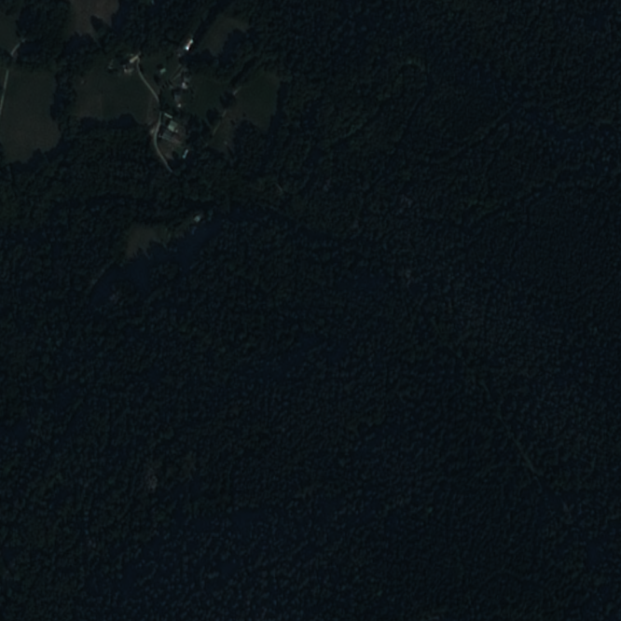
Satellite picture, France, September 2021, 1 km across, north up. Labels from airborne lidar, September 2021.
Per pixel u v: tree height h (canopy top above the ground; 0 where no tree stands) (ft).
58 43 72
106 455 85
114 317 100
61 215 127
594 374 64
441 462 87
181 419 73
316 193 89
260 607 49
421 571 69
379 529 101
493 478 58
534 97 68
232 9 69
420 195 90
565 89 60
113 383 82
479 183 78
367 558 55
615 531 109
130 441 84
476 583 64
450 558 54
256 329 54
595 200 49
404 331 74
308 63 88
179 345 96
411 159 71
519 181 77
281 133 76
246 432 86
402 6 74
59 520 78
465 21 67
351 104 56
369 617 61
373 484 98
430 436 90
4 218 54
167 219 26
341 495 59
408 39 67
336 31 95
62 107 57
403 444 105
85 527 79
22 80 0
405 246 87
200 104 0
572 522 89
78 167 79
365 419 74
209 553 53
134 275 0
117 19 0
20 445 59
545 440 49
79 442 96
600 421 72
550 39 57
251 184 51
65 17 78
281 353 75
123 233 76
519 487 74
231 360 68
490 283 80
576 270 63
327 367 73
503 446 81
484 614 66
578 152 118
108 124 0
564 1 80
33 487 87
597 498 87
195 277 100
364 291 70
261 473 102
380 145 73
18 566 77
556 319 72
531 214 47
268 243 50
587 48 72
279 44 71
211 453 92
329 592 31
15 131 0
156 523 103
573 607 71
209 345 74
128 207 115
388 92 61
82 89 0
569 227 66
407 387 67
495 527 63
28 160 0
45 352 105
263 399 90
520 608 71
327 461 81
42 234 115
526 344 84
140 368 58
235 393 65
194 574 26
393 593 73
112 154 34
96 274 118
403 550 79
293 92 77
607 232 76
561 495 24
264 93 0
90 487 68
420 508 103
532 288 78
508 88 23
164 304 63
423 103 47
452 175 79
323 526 41
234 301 79
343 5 80
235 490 94
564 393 94
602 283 62
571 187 95
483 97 69
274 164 79
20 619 85
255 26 72
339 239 113
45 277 82
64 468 71
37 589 95
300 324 66
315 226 55
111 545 56
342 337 94
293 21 84
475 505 69
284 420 93
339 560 60
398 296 56
